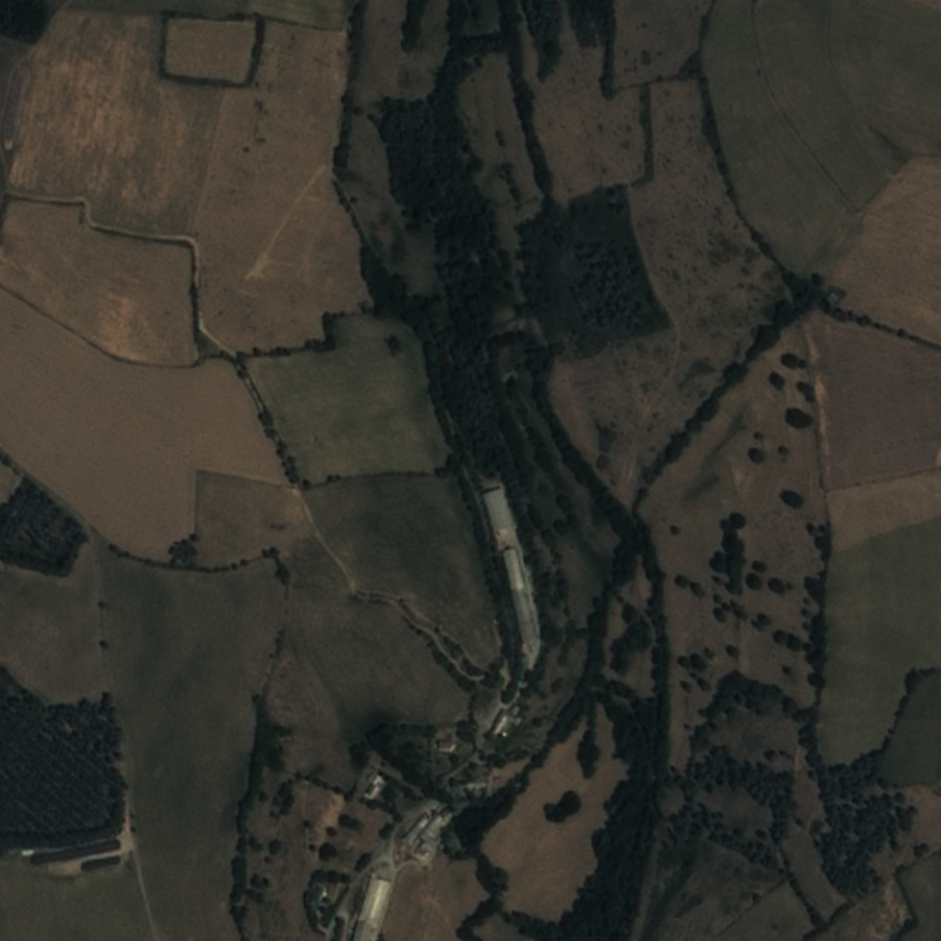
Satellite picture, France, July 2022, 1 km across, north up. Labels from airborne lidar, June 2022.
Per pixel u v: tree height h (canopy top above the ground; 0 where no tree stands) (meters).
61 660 0
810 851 0
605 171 0
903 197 0
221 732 0
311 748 0
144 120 0
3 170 0
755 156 0
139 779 0
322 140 0
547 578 13
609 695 12
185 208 0
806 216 0
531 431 14
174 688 0
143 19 0
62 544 23
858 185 0
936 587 0
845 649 0
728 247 0
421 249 0
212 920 0
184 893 0
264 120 0
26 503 18
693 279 0
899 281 0
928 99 0
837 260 0
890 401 0
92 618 0
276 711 0
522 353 0
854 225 0
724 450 0
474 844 14
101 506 0
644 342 0
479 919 14
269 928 0
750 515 0
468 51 18
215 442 0
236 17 6
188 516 0
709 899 0
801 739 7
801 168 0
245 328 0
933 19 0
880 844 13
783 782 16
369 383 0
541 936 23
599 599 13
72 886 0
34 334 0
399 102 8
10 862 0
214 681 0
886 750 10
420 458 0
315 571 0
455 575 0
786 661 0
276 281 0
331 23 0
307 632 0
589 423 0
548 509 0
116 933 0
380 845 0
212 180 0
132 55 0
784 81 0
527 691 13
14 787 21
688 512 0
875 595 0
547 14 19
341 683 0
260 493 0
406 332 0
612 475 0
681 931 0
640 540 13
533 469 8
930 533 0
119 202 0
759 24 0
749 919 0
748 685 12
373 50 0
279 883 0
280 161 0
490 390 15
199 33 0
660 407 0
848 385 0
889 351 0
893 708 0
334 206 0
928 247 0
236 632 0
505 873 16
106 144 0
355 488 0
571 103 0
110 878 0
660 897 0
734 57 0
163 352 0
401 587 0
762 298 0
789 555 0
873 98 0
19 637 0
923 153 0
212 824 0
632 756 29
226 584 0
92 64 0
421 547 0
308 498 0
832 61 0
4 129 0
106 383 0
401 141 22
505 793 8
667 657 13
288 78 0
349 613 0
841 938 0
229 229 0
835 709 0
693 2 0
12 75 0
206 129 0
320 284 0
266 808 0
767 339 19
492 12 0
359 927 0
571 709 14
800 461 0
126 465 0
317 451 0
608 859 20
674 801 0
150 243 0
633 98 0
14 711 20
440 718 0
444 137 20
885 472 0
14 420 0
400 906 0
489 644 0
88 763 21
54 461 0
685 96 0
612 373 0
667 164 0
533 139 9
